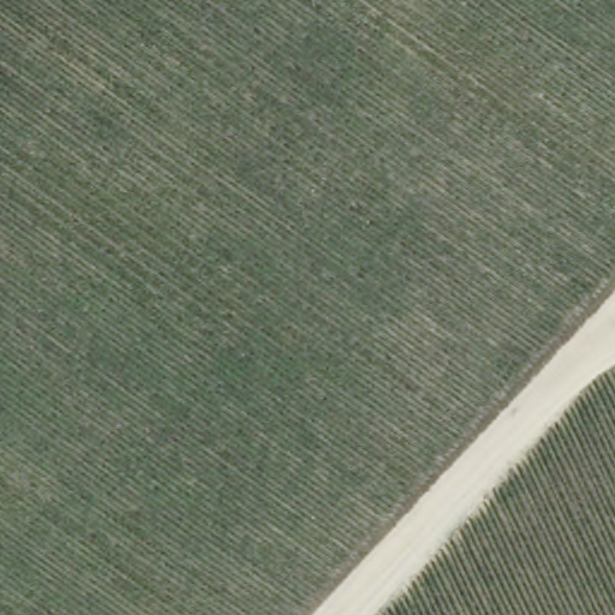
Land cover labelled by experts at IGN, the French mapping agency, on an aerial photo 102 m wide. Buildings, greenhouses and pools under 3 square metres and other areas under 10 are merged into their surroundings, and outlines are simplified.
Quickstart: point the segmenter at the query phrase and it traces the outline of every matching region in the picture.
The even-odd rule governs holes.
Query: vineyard
[[[449,533],[447,545],[411,581],[408,591],[377,615],[615,615],[615,368],[596,377],[574,399],[574,404],[562,413],[562,418],[553,428],[548,428],[548,432],[536,442],[533,449],[526,452],[526,459],[509,471],[507,480],[495,488],[490,502],[485,502],[483,509],[466,524],[454,529]]]
[[[514,396],[584,327],[584,322],[591,315],[598,312],[598,308],[615,291],[615,0],[0,0],[0,615],[312,615],[324,603],[324,598],[375,550],[375,545],[413,509],[413,504],[437,483],[437,478],[468,449],[471,442],[476,442],[476,437],[514,401]]]

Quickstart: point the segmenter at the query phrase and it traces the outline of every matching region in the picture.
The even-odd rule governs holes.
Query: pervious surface
[[[375,550],[324,598],[324,603],[312,615],[377,615],[408,591],[411,581],[447,545],[449,533],[454,529],[466,524],[483,509],[485,502],[490,502],[495,488],[507,480],[509,471],[526,459],[526,452],[533,449],[536,442],[548,432],[548,428],[553,428],[562,418],[562,413],[574,404],[574,399],[596,377],[615,368],[615,291],[598,308],[598,312],[591,315],[584,322],[584,327],[514,396],[514,401],[476,437],[476,442],[471,442],[468,449],[437,478],[437,483],[413,504],[413,509],[375,545]]]

